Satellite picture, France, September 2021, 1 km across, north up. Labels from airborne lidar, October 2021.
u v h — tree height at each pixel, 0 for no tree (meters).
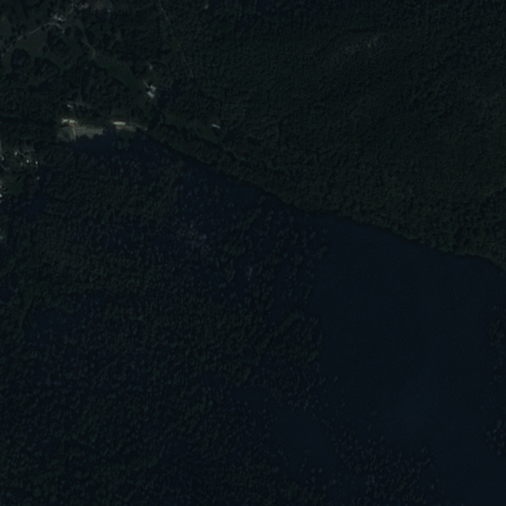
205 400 17
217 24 18
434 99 30
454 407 31
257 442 22
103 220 28
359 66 13
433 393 0
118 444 36
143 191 25
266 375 16
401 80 25
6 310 27
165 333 27
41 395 33
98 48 9
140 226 24
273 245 21
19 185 0
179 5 19
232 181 18
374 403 28
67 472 32
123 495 13
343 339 34
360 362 30
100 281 18
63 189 23
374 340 36
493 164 19
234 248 27
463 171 21
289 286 21
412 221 29
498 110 15
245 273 36
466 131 22
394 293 30
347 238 13
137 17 11
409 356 33
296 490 13
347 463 20
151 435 31
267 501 24
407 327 30
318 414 16
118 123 0
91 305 18
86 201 23
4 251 8
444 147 19
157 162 16
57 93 19
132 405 27
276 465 14
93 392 15
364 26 17
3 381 23
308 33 20
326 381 15
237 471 27
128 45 9
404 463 25
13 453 35
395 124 23
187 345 26
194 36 19
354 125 18
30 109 10
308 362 22
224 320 23
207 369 18
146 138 12
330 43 20
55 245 17
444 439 14
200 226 29
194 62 18
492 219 20
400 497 14
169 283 23
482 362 31
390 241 12
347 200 23
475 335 29
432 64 30
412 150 18
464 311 31
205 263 27
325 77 19
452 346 30
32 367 14
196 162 10
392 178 22
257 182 19
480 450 33
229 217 9
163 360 25
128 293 14
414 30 20
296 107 21
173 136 19
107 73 11
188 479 30
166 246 25
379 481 27
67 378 34
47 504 32
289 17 23
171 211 27
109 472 34
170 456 27
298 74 21
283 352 18
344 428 30
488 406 30
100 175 21
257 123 19
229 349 22
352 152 20
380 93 20
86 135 0
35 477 32
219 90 13
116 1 19
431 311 8
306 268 38
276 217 24
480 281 12
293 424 21
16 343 27
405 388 17
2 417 30
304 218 20
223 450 24
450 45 25
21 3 0
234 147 18
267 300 25
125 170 23
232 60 18
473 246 16
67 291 29
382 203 23
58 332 20
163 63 14
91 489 22
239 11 15
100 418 31
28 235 19
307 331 23
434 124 25
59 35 6
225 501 21
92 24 7
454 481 38
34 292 29
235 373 21
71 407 33
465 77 23
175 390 22
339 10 20
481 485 25
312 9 26
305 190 20
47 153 19
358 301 30
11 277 6
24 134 22
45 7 0
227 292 10
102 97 17
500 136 22
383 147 20
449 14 25
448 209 21
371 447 31
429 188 20
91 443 37
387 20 23
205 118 20
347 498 29
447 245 34
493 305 27
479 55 24
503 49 25
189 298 25
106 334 24
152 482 23
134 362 21
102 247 18
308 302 30
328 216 9
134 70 16
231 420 24
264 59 23
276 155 18
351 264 22
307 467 9
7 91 16
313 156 24
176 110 17
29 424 28
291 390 16
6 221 15
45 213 32
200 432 15
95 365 12
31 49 0
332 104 26
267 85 20
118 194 13
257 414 23
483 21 27
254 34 24
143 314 28
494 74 23
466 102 17
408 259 7
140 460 32
